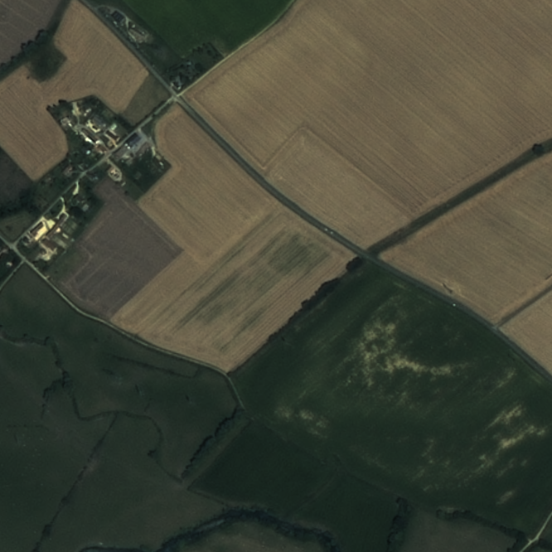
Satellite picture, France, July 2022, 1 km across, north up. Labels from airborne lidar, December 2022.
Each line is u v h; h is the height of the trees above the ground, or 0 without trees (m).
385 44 0
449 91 0
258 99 0
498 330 0
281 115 0
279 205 0
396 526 14
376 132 0
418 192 0
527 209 0
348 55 0
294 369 0
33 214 10
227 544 0
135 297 0
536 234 0
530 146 0
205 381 0
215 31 0
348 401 0
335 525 0
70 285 0
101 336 0
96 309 0
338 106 0
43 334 0
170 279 0
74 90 0
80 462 0
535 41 0
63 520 0
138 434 0
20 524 0
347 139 0
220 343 0
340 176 0
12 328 0
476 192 0
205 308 0
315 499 0
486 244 0
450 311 0
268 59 0
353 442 0
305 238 0
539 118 0
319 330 0
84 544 0
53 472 0
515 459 0
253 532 0
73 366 0
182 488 0
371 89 0
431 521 0
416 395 0
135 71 0
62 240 0
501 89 0
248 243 0
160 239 0
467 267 0
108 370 0
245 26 0
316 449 0
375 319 0
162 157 0
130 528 0
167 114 0
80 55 0
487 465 0
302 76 0
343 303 0
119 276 0
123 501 0
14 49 0
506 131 0
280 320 0
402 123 0
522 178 0
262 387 0
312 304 14
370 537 0
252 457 0
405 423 0
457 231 0
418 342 0
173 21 0
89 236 0
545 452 0
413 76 0
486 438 0
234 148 0
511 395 0
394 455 0
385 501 0
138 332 0
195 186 0
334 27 0
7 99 0
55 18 0
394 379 0
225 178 0
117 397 0
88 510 0
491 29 0
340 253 0
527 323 0
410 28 0
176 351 0
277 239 0
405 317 0
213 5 0
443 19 0
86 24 0
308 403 0
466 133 0
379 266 0
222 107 0
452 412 0
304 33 0
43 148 0
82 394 0
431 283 0
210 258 0
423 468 0
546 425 0
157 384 0
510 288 0
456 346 0
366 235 0
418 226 0
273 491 0
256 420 0
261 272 0
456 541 0
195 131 0
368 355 0
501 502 0
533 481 0
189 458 0
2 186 0
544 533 0
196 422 0
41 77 0
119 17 0
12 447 0
